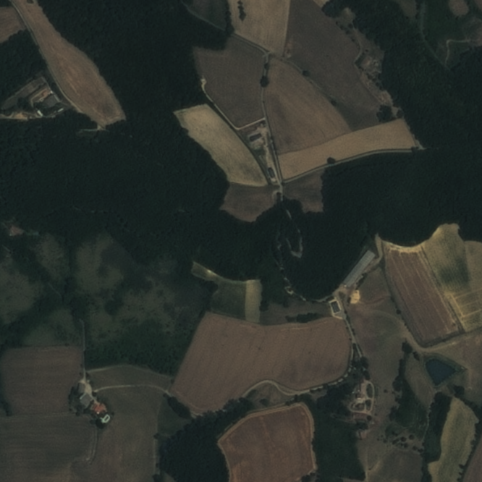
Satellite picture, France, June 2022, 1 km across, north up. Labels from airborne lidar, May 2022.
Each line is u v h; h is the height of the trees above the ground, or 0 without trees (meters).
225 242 16
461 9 0
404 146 0
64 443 0
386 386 0
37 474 0
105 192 18
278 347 0
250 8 0
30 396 0
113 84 10
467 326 0
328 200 17
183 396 0
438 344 0
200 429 25
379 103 0
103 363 7
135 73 14
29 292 0
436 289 0
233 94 0
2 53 13
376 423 0
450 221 14
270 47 0
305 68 0
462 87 20
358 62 6
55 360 0
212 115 0
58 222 22
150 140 12
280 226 12
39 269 16
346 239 16
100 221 17
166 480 0
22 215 20
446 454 0
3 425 0
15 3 0
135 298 0
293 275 15
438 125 13
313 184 0
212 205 16
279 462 0
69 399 9
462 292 0
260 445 0
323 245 13
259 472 0
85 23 8
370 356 0
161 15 15
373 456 0
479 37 0
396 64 16
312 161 0
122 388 0
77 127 16
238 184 0
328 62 0
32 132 12
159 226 20
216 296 0
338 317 0
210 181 16
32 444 0
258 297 0
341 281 13
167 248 11
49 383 0
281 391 0
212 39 13
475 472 0
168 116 11
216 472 20
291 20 0
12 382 0
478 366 0
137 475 0
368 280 0
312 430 0
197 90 10
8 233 13
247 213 0
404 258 0
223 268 10
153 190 17
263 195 0
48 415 0
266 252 20
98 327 0
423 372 0
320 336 0
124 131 11
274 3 0
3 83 8
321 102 0
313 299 10
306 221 14
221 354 0
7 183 20
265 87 12
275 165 0
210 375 0
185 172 10
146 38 14
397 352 0
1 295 0
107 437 0
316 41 0
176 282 7
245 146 0
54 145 11
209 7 0
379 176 17
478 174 17
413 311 0
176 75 11
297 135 0
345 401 10
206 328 0
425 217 15
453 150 15
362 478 9
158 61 11
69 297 16
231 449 0
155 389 0
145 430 0
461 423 0
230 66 0
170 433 0
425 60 17
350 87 0
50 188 15
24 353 0
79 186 17
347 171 17
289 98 0
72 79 0
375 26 15
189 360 0
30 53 9
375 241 0
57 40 0
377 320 0
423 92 18
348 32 9
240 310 0
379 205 19
